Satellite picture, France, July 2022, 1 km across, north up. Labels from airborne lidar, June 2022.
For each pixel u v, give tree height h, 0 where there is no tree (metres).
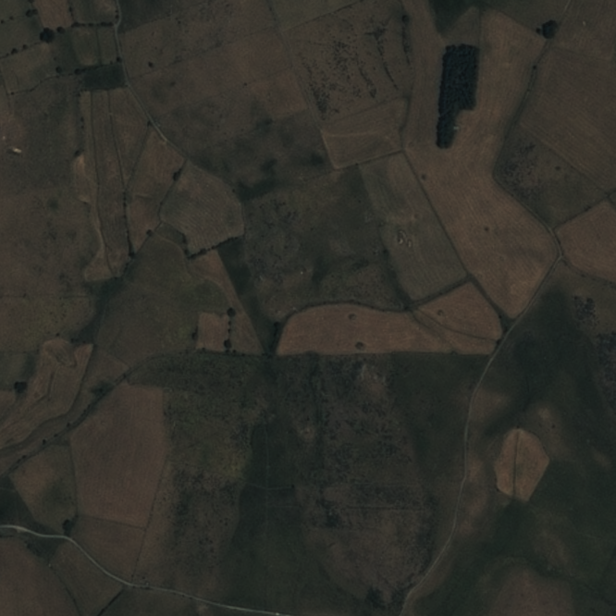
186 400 0
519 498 0
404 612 0
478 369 0
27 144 0
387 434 0
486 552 0
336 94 0
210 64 0
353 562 0
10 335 0
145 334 0
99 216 0
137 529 0
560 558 0
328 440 0
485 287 0
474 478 0
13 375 0
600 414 0
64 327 0
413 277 0
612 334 0
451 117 18
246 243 0
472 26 0
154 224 0
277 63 0
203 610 0
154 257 0
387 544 0
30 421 0
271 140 0
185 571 0
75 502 0
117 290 0
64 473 0
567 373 0
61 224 0
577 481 0
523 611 0
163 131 0
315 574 0
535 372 0
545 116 0
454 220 0
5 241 0
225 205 0
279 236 0
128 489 0
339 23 0
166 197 0
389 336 0
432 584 0
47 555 0
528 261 0
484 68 0
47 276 0
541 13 0
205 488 0
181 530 0
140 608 0
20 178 0
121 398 0
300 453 0
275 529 0
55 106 0
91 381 0
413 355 0
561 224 0
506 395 0
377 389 0
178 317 0
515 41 0
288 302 0
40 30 0
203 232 0
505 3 0
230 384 0
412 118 0
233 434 0
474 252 0
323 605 0
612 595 0
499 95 0
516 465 0
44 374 0
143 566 0
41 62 0
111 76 0
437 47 0
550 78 0
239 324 0
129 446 0
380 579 0
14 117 0
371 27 0
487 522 0
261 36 0
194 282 0
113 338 0
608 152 0
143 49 0
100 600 0
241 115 0
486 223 0
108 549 0
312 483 0
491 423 0
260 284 0
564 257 0
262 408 0
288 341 0
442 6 0
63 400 0
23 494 0
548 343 0
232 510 0
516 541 0
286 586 0
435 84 0
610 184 0
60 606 0
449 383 0
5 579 0
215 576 0
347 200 0
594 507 0
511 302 0
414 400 0
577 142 0
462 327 0
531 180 0
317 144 0
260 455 0
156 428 0
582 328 0
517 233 0
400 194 0
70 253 0
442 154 0
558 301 0
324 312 0
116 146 0
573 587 0
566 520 0
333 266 0
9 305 0
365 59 0
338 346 0
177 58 0
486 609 0
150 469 0
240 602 0
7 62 0
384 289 0
